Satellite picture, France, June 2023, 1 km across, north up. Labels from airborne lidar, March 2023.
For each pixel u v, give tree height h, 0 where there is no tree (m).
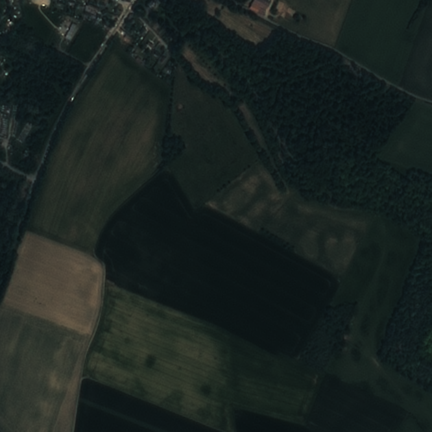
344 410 0
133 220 0
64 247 0
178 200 0
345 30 0
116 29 0
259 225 0
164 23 18
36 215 0
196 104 0
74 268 0
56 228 0
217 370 0
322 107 11
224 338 0
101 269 0
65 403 0
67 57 11
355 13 0
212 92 16
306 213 0
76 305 0
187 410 0
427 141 0
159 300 0
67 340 0
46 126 9
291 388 0
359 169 17
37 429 0
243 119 23
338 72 24
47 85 21
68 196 0
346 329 19
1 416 0
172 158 9
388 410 0
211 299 0
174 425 0
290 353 0
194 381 0
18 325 0
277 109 24
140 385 0
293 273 0
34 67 21
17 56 15
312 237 0
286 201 0
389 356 12
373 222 0
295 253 0
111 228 0
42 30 0
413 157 0
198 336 0
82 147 0
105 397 0
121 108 0
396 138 0
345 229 0
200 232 0
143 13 17
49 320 0
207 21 22
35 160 14
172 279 0
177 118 0
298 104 24
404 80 0
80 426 0
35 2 0
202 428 0
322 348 8
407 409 0
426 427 0
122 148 0
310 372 0
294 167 26
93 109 0
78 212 0
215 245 0
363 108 10
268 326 0
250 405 0
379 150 17
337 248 0
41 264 0
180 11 25
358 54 0
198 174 0
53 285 0
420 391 0
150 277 0
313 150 20
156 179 0
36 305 0
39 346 0
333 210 0
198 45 27
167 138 12
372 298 0
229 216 0
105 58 0
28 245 0
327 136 10
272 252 0
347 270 0
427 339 17
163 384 0
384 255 0
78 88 0
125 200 0
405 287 7
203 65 0
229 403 0
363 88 25
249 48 15
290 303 0
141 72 0
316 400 0
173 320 0
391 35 0
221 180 0
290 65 16
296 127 26
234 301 0
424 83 0
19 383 0
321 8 0
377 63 0
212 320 0
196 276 0
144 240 0
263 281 0
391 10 0
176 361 0
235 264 0
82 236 0
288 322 0
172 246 0
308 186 25
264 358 0
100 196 0
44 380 0
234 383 0
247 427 0
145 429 0
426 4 10
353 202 22
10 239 24
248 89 24
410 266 0
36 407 0
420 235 18
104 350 0
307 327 0
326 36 0
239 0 0
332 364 0
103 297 0
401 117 18
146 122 0
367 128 8
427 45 0
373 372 0
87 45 0
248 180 0
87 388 0
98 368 0
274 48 15
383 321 0
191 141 0
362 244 0
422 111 0
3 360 0
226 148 0
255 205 0
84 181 0
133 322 0
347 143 9
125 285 0
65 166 0
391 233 0
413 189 18
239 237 0
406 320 20
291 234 0
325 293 0
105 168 0
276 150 26
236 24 0
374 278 0
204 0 13
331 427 0
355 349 0
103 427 0
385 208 20
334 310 9
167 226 0
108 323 0
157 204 0
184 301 0
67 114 15
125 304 0
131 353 0
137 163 0
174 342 0
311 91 9
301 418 0
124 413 0
